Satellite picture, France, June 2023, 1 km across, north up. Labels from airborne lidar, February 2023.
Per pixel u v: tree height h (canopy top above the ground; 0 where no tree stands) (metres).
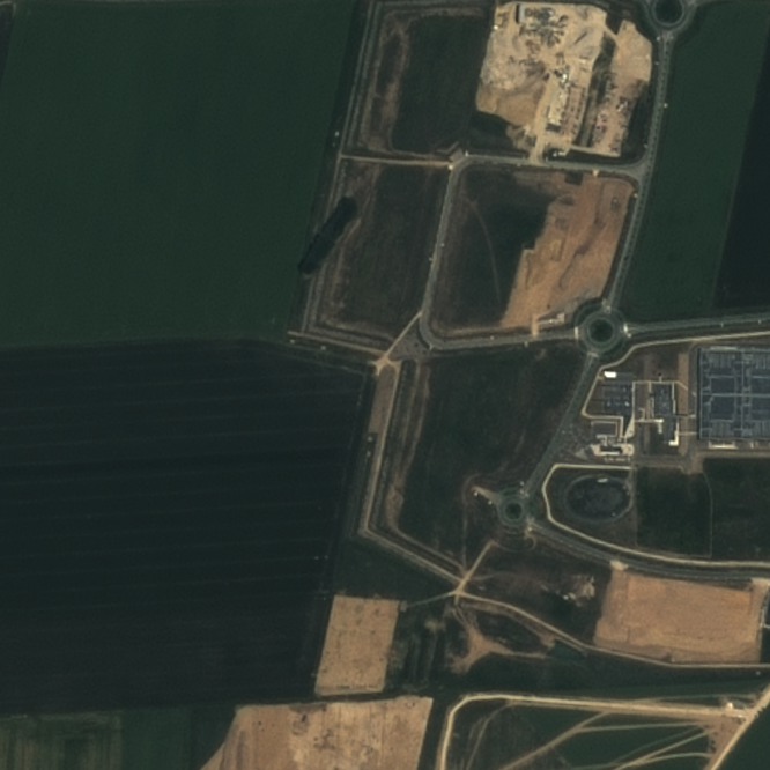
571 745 0
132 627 0
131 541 0
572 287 0
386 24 0
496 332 0
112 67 0
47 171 0
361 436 0
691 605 0
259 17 0
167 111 0
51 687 0
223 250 0
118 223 0
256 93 0
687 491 0
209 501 0
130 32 0
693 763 0
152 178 0
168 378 0
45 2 0
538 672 0
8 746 0
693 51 0
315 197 0
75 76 0
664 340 0
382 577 0
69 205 0
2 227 0
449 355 0
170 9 0
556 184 0
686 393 0
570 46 0
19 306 0
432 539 0
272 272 0
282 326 0
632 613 0
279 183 0
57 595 0
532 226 0
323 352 0
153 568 0
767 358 0
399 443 0
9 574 0
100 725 0
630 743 0
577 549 0
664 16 0
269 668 0
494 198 0
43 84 0
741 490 0
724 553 0
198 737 0
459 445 0
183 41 0
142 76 0
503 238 0
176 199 0
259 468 0
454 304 0
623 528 0
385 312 0
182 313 0
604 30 0
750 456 0
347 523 0
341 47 0
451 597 0
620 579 0
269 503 0
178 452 0
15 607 0
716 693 0
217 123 0
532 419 0
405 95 0
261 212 0
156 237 0
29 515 0
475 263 0
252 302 0
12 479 0
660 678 0
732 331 0
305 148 0
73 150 0
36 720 0
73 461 0
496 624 0
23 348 0
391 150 0
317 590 0
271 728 0
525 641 0
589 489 0
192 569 0
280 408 0
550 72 0
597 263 0
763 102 0
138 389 0
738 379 0
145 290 0
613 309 0
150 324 0
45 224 0
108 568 0
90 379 0
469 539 0
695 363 0
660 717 0
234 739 0
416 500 0
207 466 0
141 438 0
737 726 0
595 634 0
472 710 0
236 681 0
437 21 0
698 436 0
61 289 0
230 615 0
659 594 0
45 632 0
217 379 0
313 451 0
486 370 0
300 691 0
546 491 0
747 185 0
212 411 0
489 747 0
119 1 0
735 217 0
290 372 0
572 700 0
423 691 0
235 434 0
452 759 0
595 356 0
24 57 0
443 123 0
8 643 0
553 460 0
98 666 0
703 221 0
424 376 0
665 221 0
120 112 0
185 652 0
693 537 0
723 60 0
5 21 0
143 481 0
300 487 0
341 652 0
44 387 0
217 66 0
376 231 0
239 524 0
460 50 0
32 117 0
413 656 0
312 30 0
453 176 0
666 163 0
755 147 0
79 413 0
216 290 0
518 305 0
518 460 0
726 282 0
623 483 0
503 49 6
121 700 0
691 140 0
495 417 0
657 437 0
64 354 0
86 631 0
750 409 0
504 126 0
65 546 0
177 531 0
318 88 0
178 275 0
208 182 0
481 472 0
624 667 0
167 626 0
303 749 0
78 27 0
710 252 0
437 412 0
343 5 0
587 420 0
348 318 0
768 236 0
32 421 0
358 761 0
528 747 0
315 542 0
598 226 0
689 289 0
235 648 0
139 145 0
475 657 0
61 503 0
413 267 0
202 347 0
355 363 0
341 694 0
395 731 0
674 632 0
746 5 0
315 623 0
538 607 0
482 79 0
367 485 0
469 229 0
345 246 0
